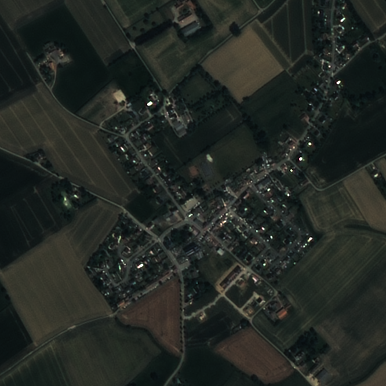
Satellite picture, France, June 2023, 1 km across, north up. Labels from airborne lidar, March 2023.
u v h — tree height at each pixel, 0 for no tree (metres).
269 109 0
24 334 0
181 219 0
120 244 0
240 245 11
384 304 0
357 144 0
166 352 0
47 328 0
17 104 0
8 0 0
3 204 0
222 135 0
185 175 0
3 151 0
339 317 0
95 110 0
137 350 0
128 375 0
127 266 0
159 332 0
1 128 0
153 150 0
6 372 0
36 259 0
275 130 0
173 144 0
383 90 15
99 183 0
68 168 0
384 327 0
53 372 0
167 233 0
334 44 0
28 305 0
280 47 0
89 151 0
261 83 0
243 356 0
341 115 0
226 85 0
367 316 0
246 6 0
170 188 8
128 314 0
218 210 0
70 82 0
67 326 0
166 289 0
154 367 0
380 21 0
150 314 0
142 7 0
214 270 0
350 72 0
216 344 0
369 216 0
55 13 0
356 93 0
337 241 0
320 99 8
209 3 0
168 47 0
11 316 0
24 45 0
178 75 0
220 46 0
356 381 0
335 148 0
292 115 0
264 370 0
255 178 0
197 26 0
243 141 0
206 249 0
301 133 0
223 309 0
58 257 0
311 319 0
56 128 0
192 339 0
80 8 0
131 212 0
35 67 0
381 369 0
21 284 0
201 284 13
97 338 0
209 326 0
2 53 0
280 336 0
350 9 9
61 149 0
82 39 0
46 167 11
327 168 0
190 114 6
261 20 0
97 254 13
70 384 0
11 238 0
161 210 0
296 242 0
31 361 0
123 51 0
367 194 0
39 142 0
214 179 0
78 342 0
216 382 0
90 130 0
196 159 0
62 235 0
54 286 0
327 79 0
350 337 0
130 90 0
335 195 0
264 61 0
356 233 0
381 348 0
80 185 0
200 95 0
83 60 0
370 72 0
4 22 0
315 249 0
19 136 0
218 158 0
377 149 0
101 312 0
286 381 0
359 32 0
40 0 0
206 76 11
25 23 0
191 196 15
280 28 0
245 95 0
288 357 7
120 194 0
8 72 0
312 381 0
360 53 0
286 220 0
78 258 0
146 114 0
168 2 0
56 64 0
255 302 8
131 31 0
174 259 0
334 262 0
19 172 0
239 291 0
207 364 0
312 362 0
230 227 0
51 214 0
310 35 0
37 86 0
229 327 0
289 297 0
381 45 0
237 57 0
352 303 0
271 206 0
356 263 0
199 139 0
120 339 0
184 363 0
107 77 0
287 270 0
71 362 0
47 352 0
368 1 0
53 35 0
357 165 0
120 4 0
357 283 0
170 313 0
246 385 0
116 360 0
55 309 0
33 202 0
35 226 0
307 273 0
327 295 0
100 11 0
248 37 0
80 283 0
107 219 0
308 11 0
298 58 0
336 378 0
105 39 0
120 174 0
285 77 0
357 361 0
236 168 0
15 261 0
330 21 0
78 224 0
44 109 0
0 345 0
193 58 0
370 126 0
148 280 7
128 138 0
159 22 0
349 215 0
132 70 0
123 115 0
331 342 0
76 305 0
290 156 0
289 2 0
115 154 0
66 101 0
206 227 0
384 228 0
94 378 0
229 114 0
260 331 0
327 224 0
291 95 0
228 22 0
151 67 0
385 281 0
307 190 0
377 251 0
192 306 0
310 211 0
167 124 0
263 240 0
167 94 17
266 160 0
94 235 0
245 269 0
